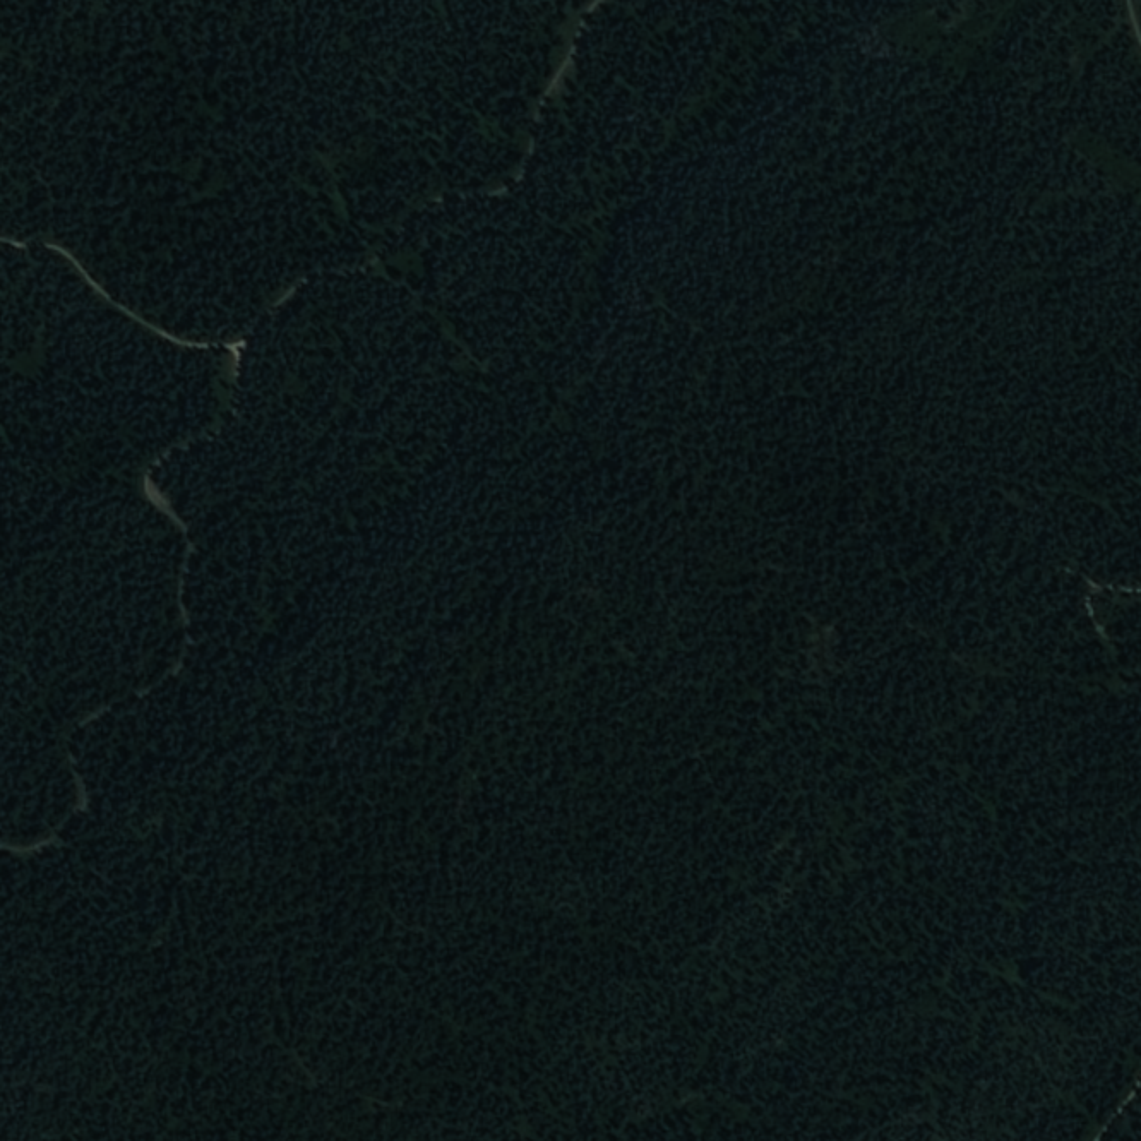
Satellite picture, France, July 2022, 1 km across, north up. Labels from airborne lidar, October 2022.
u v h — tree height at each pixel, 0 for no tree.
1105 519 27
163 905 14
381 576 20
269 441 20
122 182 13
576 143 9
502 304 27
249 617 30
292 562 23
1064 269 10
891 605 21
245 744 26
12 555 30
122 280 16
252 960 25
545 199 20
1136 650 14
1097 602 20
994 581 23
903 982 13
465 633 20
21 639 26
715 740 7
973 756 19
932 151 27
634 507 25
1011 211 21
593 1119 23
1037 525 24
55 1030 13
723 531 7
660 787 9
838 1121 9
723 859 28
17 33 27
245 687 22
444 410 31
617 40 13
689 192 26
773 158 14
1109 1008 18
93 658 9
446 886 13
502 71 8
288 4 20
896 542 29
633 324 9
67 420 18
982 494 25
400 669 20
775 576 22
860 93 17
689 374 17
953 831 25
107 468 16
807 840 26
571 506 28
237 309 19
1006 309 19
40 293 9
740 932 22
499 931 20
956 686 20
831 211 21
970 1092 17
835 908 25
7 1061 19
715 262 19
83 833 16
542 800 18
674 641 18
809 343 28
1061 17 15
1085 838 22
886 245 27
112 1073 13
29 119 8
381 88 14
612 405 15
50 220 15
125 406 31
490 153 23
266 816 21
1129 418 18
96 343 20
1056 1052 15
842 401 27
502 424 26
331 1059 15
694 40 19
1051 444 12
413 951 7
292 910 20
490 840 22
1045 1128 24
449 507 19
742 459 26
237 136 32
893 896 25
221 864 21
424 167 17
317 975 14
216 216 8
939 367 21
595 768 23
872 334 16
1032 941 23
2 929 14
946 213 27
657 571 9
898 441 22
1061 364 23
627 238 29
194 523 28
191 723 31
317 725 26
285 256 9
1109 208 21
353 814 20
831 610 25
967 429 17
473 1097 17
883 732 27
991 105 26
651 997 16
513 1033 15
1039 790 26
